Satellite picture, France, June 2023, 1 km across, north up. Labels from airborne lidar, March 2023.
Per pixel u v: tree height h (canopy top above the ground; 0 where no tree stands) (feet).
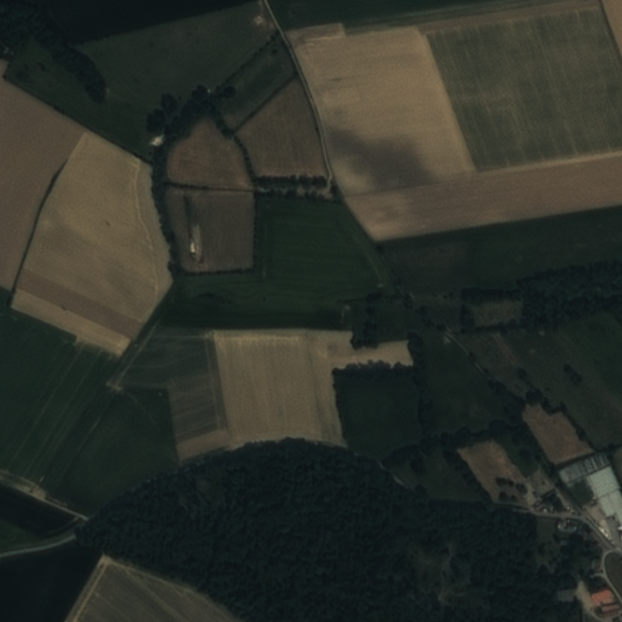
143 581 0
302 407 0
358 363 0
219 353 0
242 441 0
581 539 54
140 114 0
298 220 0
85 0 0
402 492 62
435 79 0
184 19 0
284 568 85
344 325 0
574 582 47
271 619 52
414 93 0
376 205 0
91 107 0
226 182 0
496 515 70
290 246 0
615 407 0
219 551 79
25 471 0
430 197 0
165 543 54
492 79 0
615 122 0
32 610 0
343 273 0
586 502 0
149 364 0
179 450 0
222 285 0
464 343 0
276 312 0
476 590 23
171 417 0
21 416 0
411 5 0
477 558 84
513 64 0
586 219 0
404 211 0
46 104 0
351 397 0
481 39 0
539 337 0
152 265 0
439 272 0
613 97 0
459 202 0
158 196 53
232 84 0
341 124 0
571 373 41
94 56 0
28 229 0
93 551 0
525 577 81
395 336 0
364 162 0
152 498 55
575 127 0
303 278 0
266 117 0
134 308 0
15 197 0
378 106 0
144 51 0
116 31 0
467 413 0
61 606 0
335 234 0
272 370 0
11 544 0
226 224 0
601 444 0
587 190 0
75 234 0
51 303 0
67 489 0
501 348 0
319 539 82
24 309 0
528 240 0
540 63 0
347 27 0
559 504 62
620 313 0
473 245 0
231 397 0
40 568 0
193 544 73
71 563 0
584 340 0
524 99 0
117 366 0
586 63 0
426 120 0
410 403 0
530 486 0
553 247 0
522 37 0
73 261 0
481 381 0
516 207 0
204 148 0
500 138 0
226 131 46
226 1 0
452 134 0
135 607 0
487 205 0
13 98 0
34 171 0
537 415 0
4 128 0
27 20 91
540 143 0
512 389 0
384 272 0
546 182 0
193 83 0
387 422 0
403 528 76
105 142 0
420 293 0
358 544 35
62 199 0
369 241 0
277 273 0
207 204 0
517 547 74
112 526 87
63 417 0
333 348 0
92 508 0
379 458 0
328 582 90
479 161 0
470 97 0
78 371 0
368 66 0
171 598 0
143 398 0
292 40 0
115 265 0
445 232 0
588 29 0
